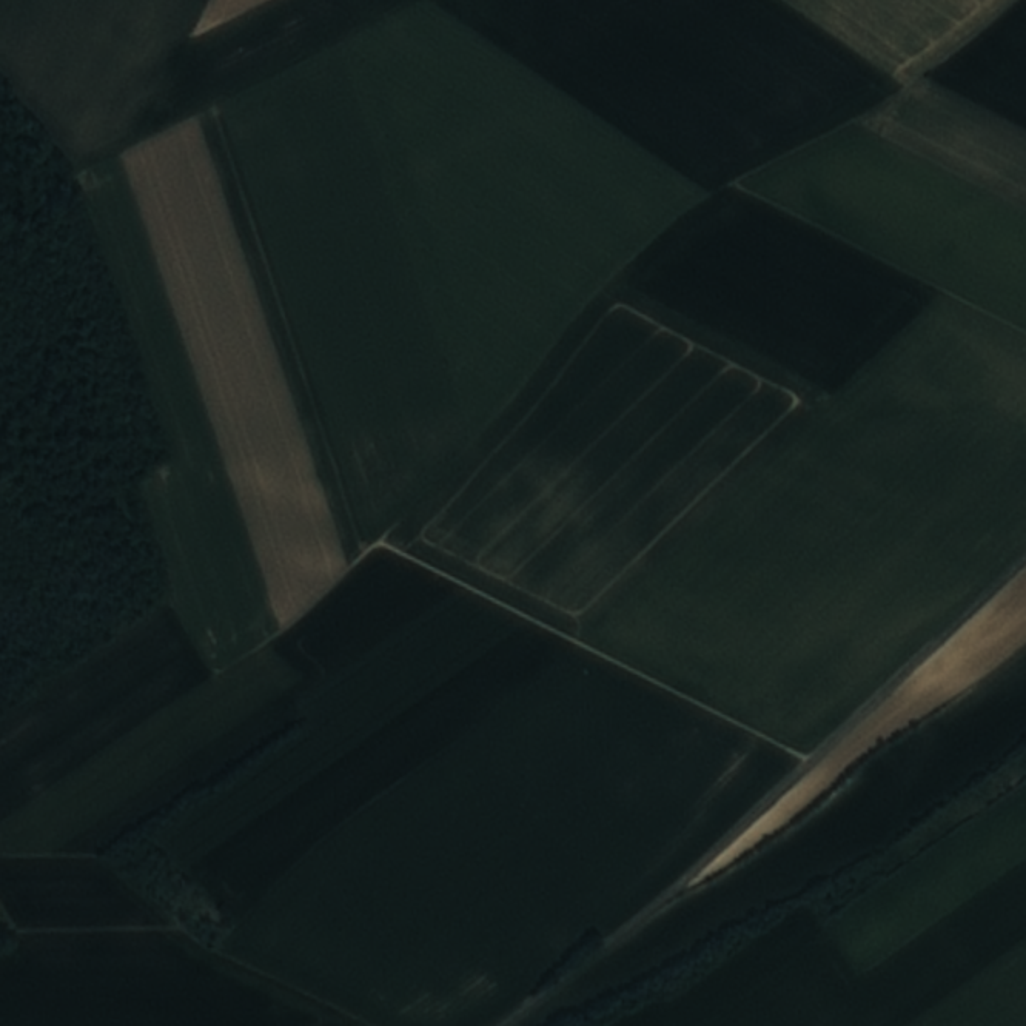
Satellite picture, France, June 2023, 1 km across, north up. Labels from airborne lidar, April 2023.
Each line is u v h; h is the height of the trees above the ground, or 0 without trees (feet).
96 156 0
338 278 0
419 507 0
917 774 0
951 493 0
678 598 0
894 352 0
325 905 0
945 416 0
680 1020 0
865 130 0
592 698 0
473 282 0
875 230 0
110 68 0
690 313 0
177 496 0
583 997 0
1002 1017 0
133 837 49
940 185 0
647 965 0
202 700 0
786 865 0
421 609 0
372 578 0
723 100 0
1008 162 0
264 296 0
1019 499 0
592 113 0
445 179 0
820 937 0
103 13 0
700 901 0
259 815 0
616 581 0
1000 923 0
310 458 0
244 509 0
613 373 0
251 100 0
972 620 0
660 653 0
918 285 0
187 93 0
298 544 0
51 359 81
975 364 0
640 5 0
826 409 0
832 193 0
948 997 0
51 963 0
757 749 0
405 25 0
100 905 0
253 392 0
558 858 0
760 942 0
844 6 0
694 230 0
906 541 0
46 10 0
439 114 0
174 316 0
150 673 0
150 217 0
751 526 0
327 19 0
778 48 0
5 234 64
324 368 0
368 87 0
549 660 0
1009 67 0
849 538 0
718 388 0
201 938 38
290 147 0
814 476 0
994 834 0
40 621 62
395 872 0
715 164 0
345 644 0
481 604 0
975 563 0
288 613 0
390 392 0
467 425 0
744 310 0
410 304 0
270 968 0
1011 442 0
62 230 76
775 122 0
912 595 0
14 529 79
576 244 0
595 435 0
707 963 33
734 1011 0
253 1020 0
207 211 0
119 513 55
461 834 0
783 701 0
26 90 0
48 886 0
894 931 0
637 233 0
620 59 0
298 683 0
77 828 0
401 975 0
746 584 0
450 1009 0
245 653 0
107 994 0
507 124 0
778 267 0
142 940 0
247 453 0
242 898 0
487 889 0
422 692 0
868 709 0
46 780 0
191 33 0
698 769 0
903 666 0
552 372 0
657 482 0
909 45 0
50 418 46
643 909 0
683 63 0
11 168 17
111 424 49
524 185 0
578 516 0
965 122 0
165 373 0
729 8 0
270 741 34
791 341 0
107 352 53
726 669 0
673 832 0
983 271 0
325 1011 0
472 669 0
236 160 0
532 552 0
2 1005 0
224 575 0
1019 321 0
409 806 0
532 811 0
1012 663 0
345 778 0
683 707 0
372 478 0
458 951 0
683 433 0
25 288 65
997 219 0
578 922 0
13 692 49
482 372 0
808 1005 0
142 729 0
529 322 0
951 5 0
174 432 0
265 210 0
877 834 0
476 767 0
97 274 61
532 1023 0
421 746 0
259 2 0
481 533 0
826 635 0
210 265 0
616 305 0
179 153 0
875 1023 0
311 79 0
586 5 0
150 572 55
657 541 0
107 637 48
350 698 0
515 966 0
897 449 0
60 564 58
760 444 0
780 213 0
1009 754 20
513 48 0
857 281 0
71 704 0
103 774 0
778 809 0
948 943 0
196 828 0
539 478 0
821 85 0
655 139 0
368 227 0
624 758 0
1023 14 0
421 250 0
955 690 0
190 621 0
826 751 0
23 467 42
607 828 0
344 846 0
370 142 0
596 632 0
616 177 0
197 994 0
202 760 0
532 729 0
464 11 0
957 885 0
